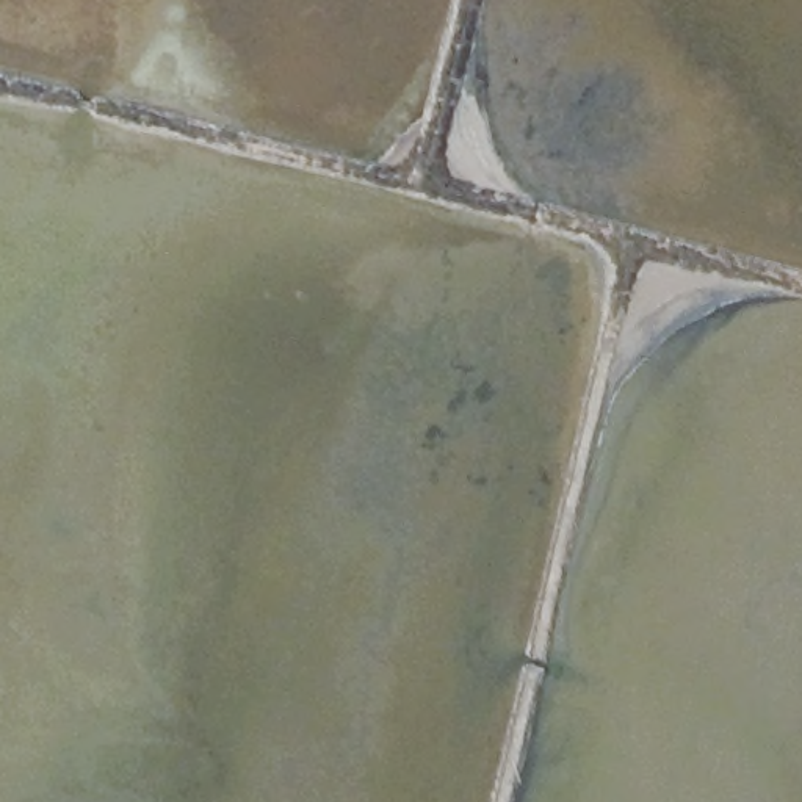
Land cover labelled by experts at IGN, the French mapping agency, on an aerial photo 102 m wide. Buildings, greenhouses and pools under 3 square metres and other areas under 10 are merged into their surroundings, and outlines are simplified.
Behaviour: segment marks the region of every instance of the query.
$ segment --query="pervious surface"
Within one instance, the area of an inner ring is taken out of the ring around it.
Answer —
[[[523,667],[517,677],[511,724],[501,746],[501,761],[489,802],[511,802],[520,774],[523,736],[533,711],[536,683],[542,677],[539,667]]]
[[[451,0],[432,63],[423,116],[392,141],[382,157],[385,166],[401,163],[414,150],[414,141],[426,138],[439,107],[442,75],[451,56],[464,0]]]
[[[66,103],[0,94],[0,107],[41,119],[72,116],[72,107]]]
[[[504,201],[508,194],[514,182],[508,179],[501,160],[492,150],[489,125],[479,110],[473,94],[457,100],[448,138],[448,166],[457,179],[473,182],[476,188],[492,188],[495,201]]]
[[[457,222],[467,226],[586,244],[586,251],[592,254],[589,294],[598,307],[598,329],[592,345],[589,392],[583,398],[573,454],[564,470],[564,498],[555,517],[548,567],[542,576],[526,655],[545,658],[555,592],[561,583],[592,429],[598,420],[608,379],[627,370],[627,363],[652,338],[670,329],[686,310],[708,304],[711,291],[727,291],[733,301],[749,294],[802,298],[802,269],[774,260],[768,273],[789,276],[789,288],[730,279],[721,273],[683,269],[677,263],[645,263],[633,288],[630,310],[614,313],[611,301],[617,266],[608,247],[602,247],[586,232],[567,232],[561,226],[551,226],[545,207],[542,207],[536,213],[536,222],[529,222],[514,213],[476,210],[426,191],[376,185],[354,172],[345,172],[345,157],[338,150],[279,144],[260,138],[257,132],[247,132],[244,119],[257,107],[257,91],[241,85],[235,50],[219,44],[207,31],[201,6],[191,0],[0,0],[0,69],[53,75],[60,81],[75,85],[78,91],[91,88],[94,97],[85,103],[85,113],[91,122],[110,128],[116,141],[132,141],[138,135],[175,144],[197,144],[204,150],[216,150],[226,157],[251,157],[313,172],[320,179],[335,179],[341,185],[363,188],[376,197],[410,197],[426,207],[448,210]],[[207,141],[172,128],[107,116],[100,113],[100,107],[110,100],[172,107],[197,128],[238,132],[238,141]]]

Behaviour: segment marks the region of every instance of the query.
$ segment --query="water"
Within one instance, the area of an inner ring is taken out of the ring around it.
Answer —
[[[191,0],[201,6],[207,31],[219,44],[235,50],[241,85],[257,91],[257,107],[244,119],[247,132],[257,132],[260,138],[279,144],[338,150],[345,157],[382,157],[392,141],[379,119],[404,94],[417,66],[432,63],[451,0]]]
[[[508,194],[520,204],[539,201],[542,207],[545,207],[567,207],[580,216],[595,216],[617,226],[648,226],[702,244],[717,238],[724,251],[774,260],[802,269],[802,0],[482,0],[476,28],[486,34],[492,103],[479,110],[489,125],[492,150],[501,160],[508,179],[514,182]]]
[[[733,301],[727,291],[711,291],[708,304],[686,310],[670,329],[652,338],[627,363],[627,370],[608,379],[598,420],[592,429],[561,583],[555,592],[545,658],[526,655],[542,576],[548,567],[555,517],[564,498],[564,470],[573,454],[583,398],[589,392],[592,345],[598,329],[598,307],[589,294],[592,254],[586,251],[586,244],[467,226],[457,222],[448,210],[426,207],[410,197],[376,197],[363,188],[341,185],[335,179],[320,179],[313,172],[251,157],[226,157],[216,150],[204,150],[197,144],[175,144],[138,135],[132,141],[116,141],[110,128],[91,122],[85,113],[72,116],[41,119],[0,107],[0,802],[489,802],[501,761],[501,746],[511,724],[517,677],[523,667],[539,667],[542,677],[536,683],[533,711],[523,736],[520,774],[511,802],[802,802],[802,298],[749,294]]]

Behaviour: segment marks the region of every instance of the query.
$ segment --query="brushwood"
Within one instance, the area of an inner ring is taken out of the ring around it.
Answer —
[[[107,116],[172,128],[207,141],[238,141],[238,132],[197,128],[172,107],[110,100],[100,107],[100,113]]]
[[[60,81],[53,75],[0,69],[0,94],[66,103],[72,107],[72,116],[85,113],[85,103],[94,97],[91,88],[78,91],[75,85]]]
[[[442,75],[439,107],[426,138],[414,141],[414,150],[401,163],[385,166],[382,157],[345,157],[345,172],[354,172],[376,185],[426,191],[476,210],[514,213],[529,222],[536,222],[536,213],[542,207],[539,201],[520,204],[508,194],[504,201],[495,201],[492,188],[476,188],[473,182],[457,179],[448,166],[448,138],[457,100],[473,94],[479,110],[492,103],[486,34],[476,28],[482,0],[464,0],[451,56]]]
[[[633,288],[645,263],[677,263],[683,269],[721,273],[730,279],[789,288],[789,276],[768,273],[774,260],[724,251],[717,238],[702,244],[648,226],[617,226],[595,216],[580,216],[567,207],[545,207],[551,226],[561,226],[567,232],[586,232],[602,247],[608,247],[617,266],[611,301],[614,313],[630,310]]]
[[[392,141],[423,116],[432,63],[417,66],[404,94],[379,119]]]

